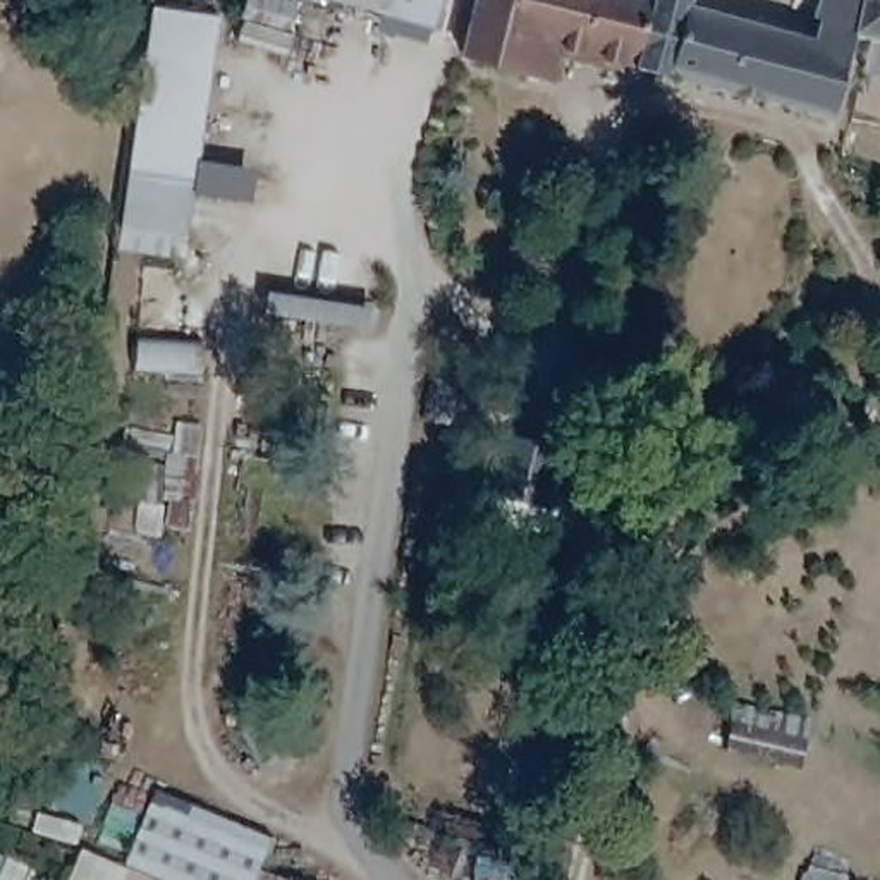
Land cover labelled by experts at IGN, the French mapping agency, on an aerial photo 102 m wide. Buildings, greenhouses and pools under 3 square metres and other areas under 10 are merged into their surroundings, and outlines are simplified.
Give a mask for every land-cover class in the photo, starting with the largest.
<instances>
[{"label":"deciduous trees","instance_id":"1","mask_svg":"<svg viewBox=\"0 0 880 880\"><path fill-rule=\"evenodd\" d=\"M24 7L38 17V28L14 38L24 62L48 69L58 79L62 96L76 110H103L120 127H138L141 103H151L155 96L148 28L155 10L162 7L158 0H24ZM464 76V65L450 58L443 65L440 86L430 96V113L457 117L464 107L457 79ZM698 151L691 162L598 172L578 162L564 172H547L543 179L536 172H526V179L512 175L509 186L502 193H492L481 206L488 217H495L502 230L516 237L512 248L523 254L502 296V309H492V327L485 330V358L471 361L461 371V388L478 402V413L457 437V447L440 443L433 450V464L447 485V505L440 519L423 529V540L433 543L430 567L437 574V581L430 584L426 608L443 612L447 626L423 639L409 636L402 667L416 670L423 712L430 725L440 732L468 715V694L478 691V684L502 677L512 688L505 698L502 691H492V712L485 715L481 736H492L498 746H512L516 739L540 732L571 739L574 773H567L553 787V794H540L526 808L502 804V828L512 849V859L505 863V870L512 873L509 880H660L653 853L657 811L646 791L657 780L660 760L643 736H629L622 729V715L636 705L639 691L677 698L681 691H691L715 712V722L736 718L739 708L808 715L818 712L822 681L804 677V684L794 688L791 663L780 653L777 688L767 691L763 684H753L749 698H739L729 670L708 650L705 629L691 615V595L701 584L705 564L715 560L722 571H749L756 578H767L773 571V553L767 550L770 543L787 536L801 543L815 533V526L846 523L859 488L880 495V323L866 327L856 316L828 330L801 323L798 330H787L784 313L801 306V289L770 292V309L756 316V323L791 344V361L801 364L798 371L804 382H822L832 395L825 399V413L804 423L791 440H784L777 430H756V423L770 413L767 388L773 385V371L767 364L739 368L718 361V344L705 347L684 327L681 303L684 272L694 258L698 237L708 227V210L718 189L729 182V172L708 151L715 127L694 120ZM643 186H657L667 203L674 230L667 234L663 254H657L643 237H636L622 217V206ZM567 251L595 265L598 299H581L553 285L550 268ZM636 285L667 292L663 358L636 364L626 378L591 382L581 395H571V409L560 413L547 430V443L553 454L540 457V468H550L557 481H571V502L578 512L591 519L602 553L588 557V564L574 571V581L567 584V622L553 633V639L547 646L529 643L526 633L536 622L540 598L550 595V560L564 540L560 512L536 505L526 516L505 512V498L498 492H481V474L474 468H509V461L516 457V419L526 402L536 330L557 320L578 323L584 330L619 333L626 323L629 289ZM478 138L440 141L433 127L423 124L413 155V203L423 213V237L430 251L443 258L447 278H468L481 268V248L474 237H464V210L450 193V168H461ZM736 158H770L780 172L794 162L784 144H770L756 134L732 138ZM124 223V217L113 213L110 189L103 196L96 193L93 203H72L55 220H34V234L52 241L55 272L38 292L10 299L3 306V330L21 337L28 364L24 375L0 371V808H62L86 780V763L107 760L100 718H86L72 694V650L62 639L58 626L72 622L86 629L89 653L100 667L124 660L144 646H155L162 639H172L168 626H148L151 608L165 602V595H141L134 581L120 584L100 571V553L107 550V543L96 536L93 526L96 509L120 516L124 509L144 502L148 488H158V468L141 461L148 447H141L134 437L141 423H168L162 413L168 409V399L175 392L168 388V375L138 371V354H127V364L113 371L103 323L107 309L113 306L110 289L117 248ZM784 254L811 258V275H822L835 251L808 244L804 217L787 220ZM230 388L244 402L241 413L248 416V430L258 437L254 454L265 457L268 468L282 478L303 474V492H320L327 498L340 468V416H327V388L309 375L306 347H292L289 327H285L265 337V354L254 368L241 364L227 375ZM419 378L443 371V351L419 330ZM825 574L835 578L842 588L856 584L853 571L842 564L839 553H808L801 571L804 588H815V581ZM839 629L835 622H825L818 629V646H798V653L818 670H832ZM333 684L323 667L299 663L296 657H289L285 663H261V674L248 681L244 698H223L220 691L217 694L220 715H234L237 725L254 729L258 749L272 756H292L316 753L327 739L323 718L333 708ZM842 691L856 694L866 708L880 712V681L866 674L839 681ZM358 825L375 853L399 856L406 835L416 825H409V811L399 808V794L388 787L371 804L368 818H361ZM715 846L729 863H749L763 873H773L787 856L791 828L767 798L753 794L749 808L732 815V828H715Z\"/></svg>","mask_w":880,"mask_h":880},{"label":"herbaceous vegetation","instance_id":"2","mask_svg":"<svg viewBox=\"0 0 880 880\"><path fill-rule=\"evenodd\" d=\"M38 28V17L24 7V0H0V371L24 375L28 364L21 337L3 330V306L10 299L38 292L55 272L52 241L34 234V220H55L72 203H93L96 193L103 196L110 189L113 213L124 217L138 127H120L103 110H76L62 96L58 79L48 69L24 62L14 38ZM450 58L464 65V76L457 79L464 107L457 117L430 113L423 124L433 127L440 141L478 138L461 168H450V193L464 210V237H474L481 248V268L468 278L464 285L485 296L492 309H502V296L523 254L512 248L516 237L502 230L495 217H488L481 206L492 193H502L509 186L512 175L526 179V172H536L543 179L547 172H564L578 162L571 158L567 144L574 138L564 131V124L547 117L543 110H533L536 96L526 89L529 76L516 65H481L457 48ZM842 148L849 155L880 162V113H863L856 107V117L842 113L839 120L835 138L828 144H818V162L832 158ZM708 151L729 172V182L718 189L708 210V227L698 237L694 258L684 272L681 303L684 327L705 347L718 344V361L739 368L767 364L773 371V385L767 388L770 413L756 423V430H777L784 440H791L804 423L825 413V399L832 395L822 382H804L798 371L801 364L791 361V344L756 323V316L770 309V292L801 289V306L784 313L787 330H798L801 323L828 330L856 316L866 327L880 323V285L863 282L853 272L849 258L835 251L822 275H811V258L784 254L787 220L804 217V179L794 162L780 172L770 158H736L732 138L729 131L715 127ZM622 217L636 237H643L657 254H663L667 234L674 230L667 203L657 186H643L622 206ZM182 261L117 248L110 289L113 306L107 309L103 323L113 371L127 364V354H138V371L168 375V388L175 392L168 399V409L162 413L168 423H141L134 437L141 447H148L141 461L158 468V488H148L144 502L124 509L120 516L96 509L93 526L96 536L107 543V550L100 553V571L120 584L134 581L141 595H165V602L151 608L148 626H168L172 639H162L155 646H144L124 660L100 667L89 653L86 629L72 622L58 626L62 639L72 650V694L86 718H100L107 760L86 763V780L62 808H17L14 822L34 828L38 815L76 822L83 825V839L72 842L79 856L93 853L107 863H127L151 804H168L179 811L199 808L206 815L265 835L272 846L265 873L282 880H320L316 873L303 870V846L289 832H278L220 801H210V780L203 777L196 753L186 739L179 701V650L189 598L193 540L179 536V526H189L199 492L203 416L210 382L217 378V361L206 351L203 327L158 330L141 323L144 306H158L151 296H144V268H162L172 275ZM553 285L581 299H598L595 265L567 251L550 268ZM667 292L636 285L629 289L626 323L619 333L584 330L578 323L557 320L536 330L526 402L516 419V457L509 461V468H474L481 474V492H498L505 498V512L526 516L536 505L560 512L564 540L550 560V595L540 598L536 622L526 633L529 643L547 646L553 639V633L567 622V584L574 581V571L588 564V557L602 553L591 519L578 512L571 502V481H557L550 468H540V457L553 454L547 443V430L560 413L571 409V395H581L591 382L626 378L636 364L663 358ZM443 351V371L419 378V419L413 423L416 443L409 447L402 464V523L395 543V567L382 581L385 636L368 705L364 756L358 763V773H385L388 787L399 794V808L409 811V825H416L406 835L399 856L413 853L423 866H437L443 880H509L512 873L505 870V863L512 859V849L502 828V804L526 808L540 794H553V787L567 773H574L571 739L540 732L516 739L512 746H498L492 736H481L485 715L492 712V691H502L505 698L512 688L502 677L478 684V691L468 694V715L440 732L430 725L423 712L416 670L402 667L409 636L423 639L447 626L443 612L426 608L430 584L437 581V574L430 567L433 543L423 540V529L440 519L447 505V485L433 464V450L440 443L457 447V437L478 413V402L461 388V371L471 361L485 358V330L468 327L454 313L450 299L437 292L426 306V320L419 323V330ZM292 347H306L309 375L327 388V416H340L347 406L340 399V392L347 388L344 354L327 347L323 340H313L306 320H296L289 327ZM258 437L248 430V416L241 413L230 419L223 437L217 550L210 581V633L203 660V691L210 698L217 694L220 691L223 698H244L248 681L261 674V663H285L289 657H296L299 663L323 667L333 684H340L344 677V650L330 639L327 598L303 605L296 612H275L272 619H261L254 605L261 581L272 578L268 567L285 550L309 557L313 550H330L333 540H327L323 533V526H333L330 498L344 492V481L354 478V457L340 454V468L327 498L320 492H303V474L282 478L268 468L265 457L254 454ZM767 550L773 553V571L767 578H756L749 571H722L715 560L705 564L701 584L691 595V615L705 629L708 650L729 670L739 698H749L753 684H763L767 691L777 688L780 653L791 663L794 688L804 684V677L822 681L818 712L808 715L804 767H767L753 756L725 749L736 718L715 722V712L691 691H681L677 698L639 691L636 705L622 715V729L629 736H643L660 760L657 780L646 791L657 811L653 853L660 880H804L815 866L808 856L811 849H818L828 859H839L863 880H880V712L866 708L856 694L842 691L839 681L866 674L880 681V495L859 488L846 523L815 526V533L801 543L787 536L770 543ZM808 553H839L842 564L853 571L856 584L842 588L835 578L825 574L815 581V588H804L801 571ZM825 622H835L839 629L832 670H818L798 653V646H818V629ZM753 794L767 798L791 828L787 856L773 873H763L749 863H729L715 846V828H732V815L749 808ZM213 739L220 743L227 760L261 767L272 756L258 749L254 729L237 725L234 715H220L213 718ZM292 780L275 784V798L282 804H289L292 811H313L337 791L344 794L347 777L333 767V743L327 739L316 753L292 756Z\"/></svg>","mask_w":880,"mask_h":880},{"label":"pervious surface","instance_id":"3","mask_svg":"<svg viewBox=\"0 0 880 880\"><path fill-rule=\"evenodd\" d=\"M223 31L210 76L203 158L217 165H254V199H199L193 213L196 230H189V241H179L165 230H131L124 223L117 248L182 261L172 275L162 268H144V296H151L158 306H144L141 323L158 330L203 327L206 351L217 361V378L210 382L203 416L199 492L189 526H179V536L193 540L189 598L179 650V701L186 739L196 753L203 777L210 780V801H220L278 832H289L303 846L320 849L347 873L358 870L361 859L344 846V835L337 828L347 818L344 794L337 791L313 811H292L289 804H282L275 798V784L292 780V756H272L261 767L227 760L220 743L213 739V718L220 715L217 694L210 698L203 691V660L210 633V581L217 550L223 437L230 419L241 413L244 402L230 388L227 375L241 364L254 368L265 354V337L285 327V320L268 303L275 292L316 303L361 306V289L375 285L371 265L382 261L399 251L388 196L413 182V155L423 124L430 113V96L440 86L443 65L450 58L457 48V38L471 24L474 0H454V17L443 14L440 21L426 24L430 41H409L375 31L371 21H361L354 14H327V3L316 0H220ZM526 89L536 96L533 110H543L547 117L564 124V131L574 138L567 144L571 158L578 162L598 172L691 162L698 151L694 120L715 127L729 131L732 138L756 134L770 144H784L794 162L804 179V217L808 244L835 251L849 258L853 272L863 282L880 285V213L856 217L828 189L818 162V144H828L835 138L839 120L828 110L808 103H794L791 113H784L777 96L756 103L732 96L725 110H698L677 100L670 89H663L657 76L639 72H622L615 86L605 89L598 65L591 62H574L571 72H564L560 79L529 76ZM406 340L399 330L388 327V333L378 340H351L344 354L347 388L340 392V399L347 406L340 416V454L354 457V478L344 481V492L330 498L333 526H323V533L327 540H361V529L354 523L364 516V485L371 471V430L364 426V406H371V392L399 364L392 361V351Z\"/></svg>","mask_w":880,"mask_h":880},{"label":"building","instance_id":"4","mask_svg":"<svg viewBox=\"0 0 880 880\"><path fill-rule=\"evenodd\" d=\"M162 7L155 10L148 28L155 96L151 103H141L138 127L124 217V223L131 230H165L179 241H189V230H196L193 213L199 199H254V165H217L203 158L210 76L223 31L220 0H158ZM327 3V14H354L361 21H371L375 31L409 41H430L426 24L440 21L443 14L454 17V0H316ZM818 31L804 34L756 17L705 7L701 0H474L471 24L457 38V48L481 65H516L529 76L560 79L564 72H571L574 62H591L598 65L605 89L615 86L622 72H639L657 76L663 89H670L677 100L698 110H725L732 96L756 103L777 96L784 113H791L794 103H808L828 110L839 120L842 113L856 117V107L863 113H880V0H818ZM268 303L285 320V327H289L296 320H306L313 340H323L327 347L344 354L351 340H378L388 333V327L392 306H361L316 303L275 292ZM808 715L739 708L736 718L725 749L753 756L767 767H804ZM272 846L265 835L206 815L199 808L179 811L168 804H151L127 863H107L93 853L79 856L69 880H282L265 873ZM34 835L72 842L83 839V825L76 822L38 815L34 828ZM808 856L815 866L804 880H863L839 859H828L818 849H811Z\"/></svg>","mask_w":880,"mask_h":880},{"label":"impervious surface","instance_id":"5","mask_svg":"<svg viewBox=\"0 0 880 880\"><path fill-rule=\"evenodd\" d=\"M705 7L756 17L804 34L818 31V0H701ZM399 251L382 261L395 278L392 306L388 327L399 330L406 340L392 351V361L399 364L371 392V406H364V426L371 430V471L364 485V516L354 523L361 529V540H333L330 550L333 581L327 598L330 639L344 650V677L340 684H333V708L323 718L327 739L333 743V767L347 777L344 794L347 818L337 828L344 835V846L361 859L358 870L347 873L320 849L303 846V870L316 873L320 880H443L437 866H423L413 853L399 856L375 853L358 825L361 818H368L371 804L388 787L385 773H358V763L364 756L368 705L385 636L382 581L395 567V543L402 523V464L409 447L416 443L413 423L419 419V323L426 320V306L437 292L450 299L454 313L468 327L485 330L492 327V309L485 296L464 285L468 278H447L443 258L430 251L423 237V213L413 203V182L388 196Z\"/></svg>","mask_w":880,"mask_h":880},{"label":"brushwood","instance_id":"6","mask_svg":"<svg viewBox=\"0 0 880 880\"><path fill-rule=\"evenodd\" d=\"M828 189L856 217L880 213V162L849 155L842 148L832 158L818 162ZM375 285L361 289V306H392L395 278L382 261L371 265ZM17 808H0V856L28 863L34 870V880H69L79 856L72 842L34 835V828L14 822Z\"/></svg>","mask_w":880,"mask_h":880},{"label":"coniferous trees","instance_id":"7","mask_svg":"<svg viewBox=\"0 0 880 880\"><path fill-rule=\"evenodd\" d=\"M272 578L261 581L254 605L261 619H272L275 612H296L303 605L327 598L333 581L330 550H313L309 557L285 550L268 567Z\"/></svg>","mask_w":880,"mask_h":880},{"label":"greenhouse","instance_id":"8","mask_svg":"<svg viewBox=\"0 0 880 880\"><path fill-rule=\"evenodd\" d=\"M0 880H34V870L28 863L0 856Z\"/></svg>","mask_w":880,"mask_h":880}]
</instances>
